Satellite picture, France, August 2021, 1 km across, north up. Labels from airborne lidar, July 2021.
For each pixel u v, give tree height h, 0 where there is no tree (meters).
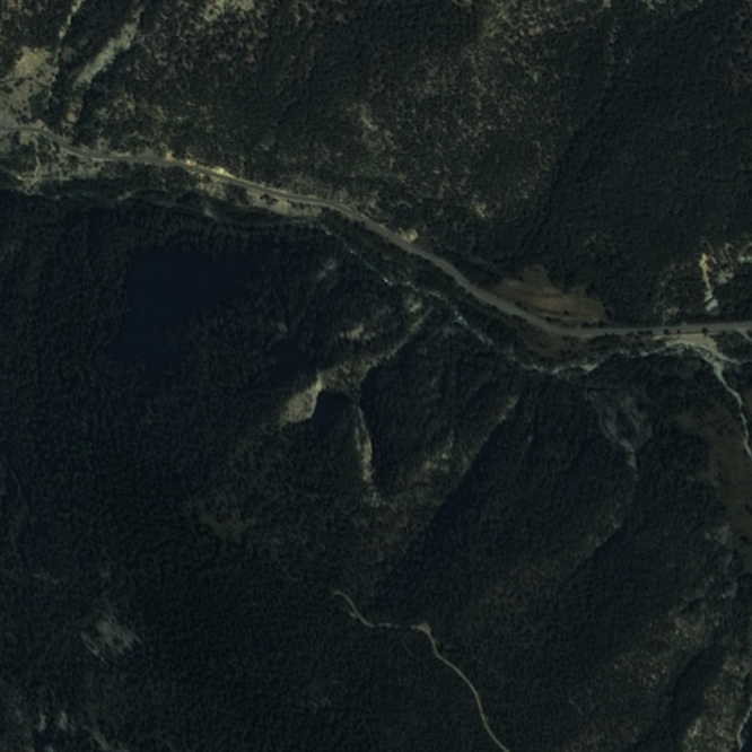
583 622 13
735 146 12
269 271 7
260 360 10
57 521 12
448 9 9
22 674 24
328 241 14
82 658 8
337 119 7
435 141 9
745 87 9
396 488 9
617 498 8
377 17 15
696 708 8
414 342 7
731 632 7
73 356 17
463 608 11
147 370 9
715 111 14
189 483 8
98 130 8
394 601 14
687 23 12
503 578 8
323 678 12
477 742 6
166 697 11
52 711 12
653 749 10
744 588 9
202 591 11
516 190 7
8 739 6
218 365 8
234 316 11
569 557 7
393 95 11
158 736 14
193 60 15
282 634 14
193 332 10
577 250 7
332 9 12
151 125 8
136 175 8
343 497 10
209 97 8
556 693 5
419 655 8
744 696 9
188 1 7
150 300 13
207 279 18
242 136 7
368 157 7
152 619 13
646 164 11
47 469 14
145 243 15
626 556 8
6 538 16
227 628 9
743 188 17
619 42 11
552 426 7
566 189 16
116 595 13
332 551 15
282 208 0
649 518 7
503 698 7
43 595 11
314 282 8
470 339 6
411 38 10
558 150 7
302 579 16
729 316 6
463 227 7
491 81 8
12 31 10
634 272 14
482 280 16
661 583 10
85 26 11
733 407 6
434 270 7
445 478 9
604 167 9
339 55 8
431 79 6
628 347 7
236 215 7
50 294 13
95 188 8
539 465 11
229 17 11
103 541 12
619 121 11
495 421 8
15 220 13
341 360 8
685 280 14
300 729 9
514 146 11
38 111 9
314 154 6
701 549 9
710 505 12
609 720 9
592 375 9
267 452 17
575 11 7
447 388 9
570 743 7
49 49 6
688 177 11
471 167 7
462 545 11
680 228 16
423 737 7
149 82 9
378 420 11
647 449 6
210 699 11
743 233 15
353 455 7
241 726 13
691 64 10
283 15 10
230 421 12
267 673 12
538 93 7
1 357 10
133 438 7
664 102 13
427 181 6
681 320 7
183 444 13
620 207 13
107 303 14
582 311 0
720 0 8
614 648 9
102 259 11
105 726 18
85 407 14
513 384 9
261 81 11
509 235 15
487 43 7
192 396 11
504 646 12
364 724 16
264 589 7
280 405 6
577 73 12
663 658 8
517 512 8
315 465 17
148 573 9
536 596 10
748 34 14
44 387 14
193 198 12
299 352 5
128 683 8
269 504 18
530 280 0
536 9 8
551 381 9
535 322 0
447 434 10
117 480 19
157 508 16
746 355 9
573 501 9
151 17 6
